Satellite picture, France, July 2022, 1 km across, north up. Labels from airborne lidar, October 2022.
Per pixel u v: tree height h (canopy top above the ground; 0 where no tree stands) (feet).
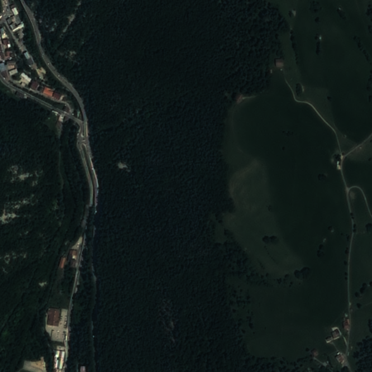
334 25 0
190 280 68
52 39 58
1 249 71
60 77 0
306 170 0
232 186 0
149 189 55
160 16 81
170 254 63
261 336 0
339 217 0
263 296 0
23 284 92
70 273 24
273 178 0
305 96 0
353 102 0
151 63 79
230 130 0
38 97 22
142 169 44
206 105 62
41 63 21
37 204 26
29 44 43
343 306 0
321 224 0
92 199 0
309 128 0
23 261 39
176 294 72
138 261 68
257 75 23
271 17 63
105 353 94
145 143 65
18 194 39
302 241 0
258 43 83
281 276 0
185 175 62
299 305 0
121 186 72
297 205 0
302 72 0
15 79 51
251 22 76
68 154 70
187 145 51
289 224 0
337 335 0
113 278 74
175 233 108
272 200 0
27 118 73
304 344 0
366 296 0
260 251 0
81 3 22
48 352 55
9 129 72
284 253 0
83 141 0
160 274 73
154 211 73
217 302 72
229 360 71
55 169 81
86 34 41
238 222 0
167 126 54
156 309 81
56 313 0
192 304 69
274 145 0
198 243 63
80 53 60
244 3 67
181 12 92
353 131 0
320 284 0
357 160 0
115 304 67
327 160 0
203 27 68
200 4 83
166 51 87
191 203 76
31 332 59
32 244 41
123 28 93
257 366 49
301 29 0
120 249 81
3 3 0
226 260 66
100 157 69
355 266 0
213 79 83
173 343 99
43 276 52
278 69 0
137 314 102
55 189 65
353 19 0
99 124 67
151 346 85
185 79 60
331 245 0
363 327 0
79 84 57
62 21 52
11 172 47
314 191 0
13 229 63
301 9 0
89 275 52
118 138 81
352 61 0
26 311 60
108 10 73
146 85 72
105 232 81
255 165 0
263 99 0
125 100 54
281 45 46
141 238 65
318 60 0
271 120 0
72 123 59
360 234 0
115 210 74
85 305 42
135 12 90
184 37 63
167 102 48
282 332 0
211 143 42
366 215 0
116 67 68
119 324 99
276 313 0
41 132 61
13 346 77
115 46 81
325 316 0
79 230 45
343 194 0
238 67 99
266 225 0
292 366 26
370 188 0
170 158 47
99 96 60
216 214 47
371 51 0
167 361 89
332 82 0
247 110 0
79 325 19
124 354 91
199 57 66
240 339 63
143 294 92
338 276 0
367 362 49
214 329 70
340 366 0
